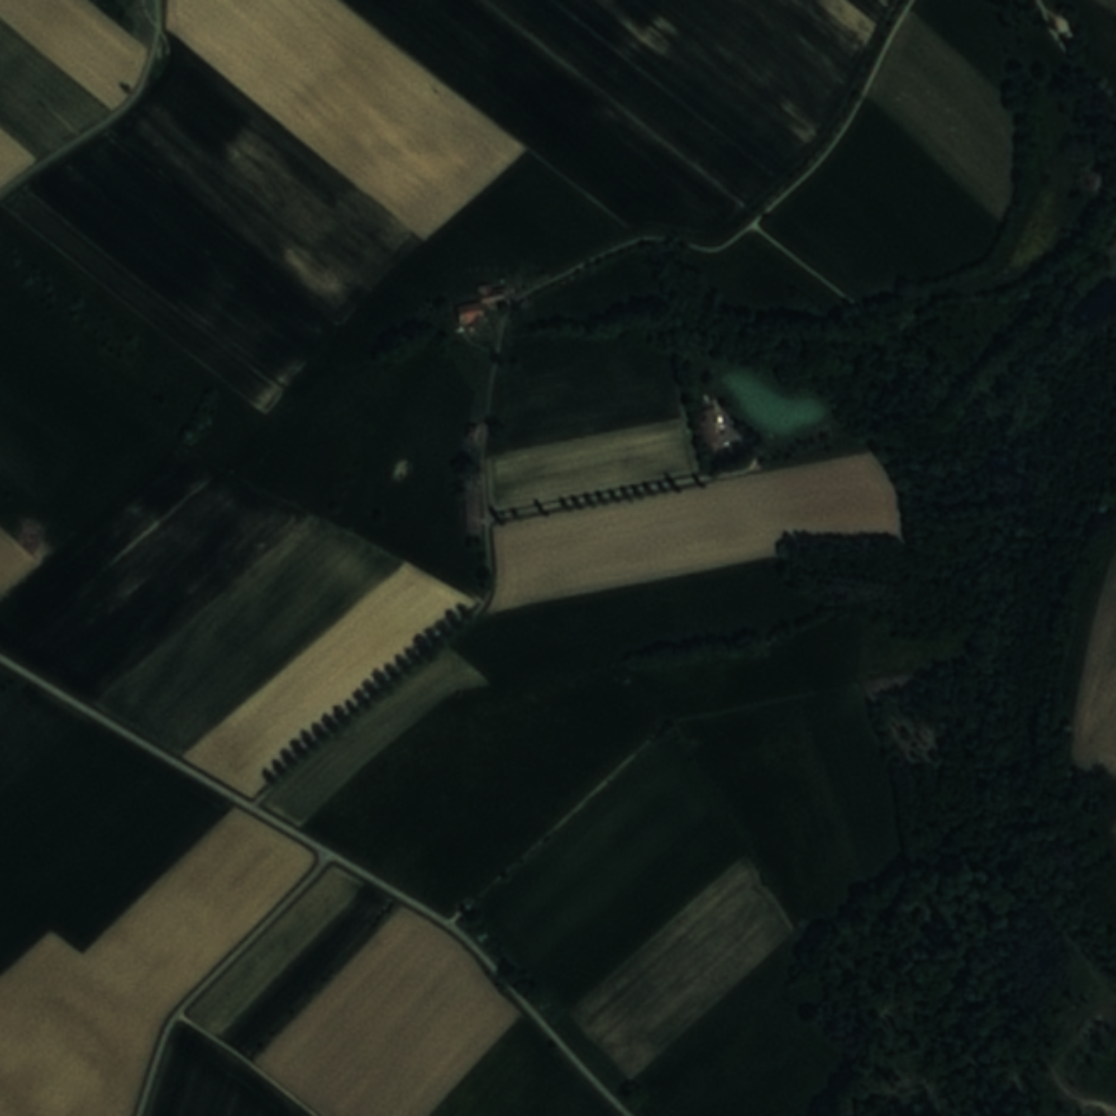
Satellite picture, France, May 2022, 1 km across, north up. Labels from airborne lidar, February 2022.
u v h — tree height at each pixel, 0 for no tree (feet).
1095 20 0
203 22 0
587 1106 0
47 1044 0
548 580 0
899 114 0
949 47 0
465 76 0
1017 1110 103
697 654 46
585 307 0
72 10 0
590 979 0
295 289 0
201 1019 0
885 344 80
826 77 0
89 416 0
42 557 0
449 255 0
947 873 126
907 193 0
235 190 0
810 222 0
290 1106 0
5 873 0
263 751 0
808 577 62
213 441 0
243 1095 0
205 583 0
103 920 0
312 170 0
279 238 0
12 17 0
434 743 0
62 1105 0
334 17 0
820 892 0
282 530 0
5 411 0
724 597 0
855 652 0
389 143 0
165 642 0
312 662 0
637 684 0
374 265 0
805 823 0
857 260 0
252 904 0
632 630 0
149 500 0
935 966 125
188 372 0
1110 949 73
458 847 0
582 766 0
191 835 0
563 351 0
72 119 0
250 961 0
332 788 0
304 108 0
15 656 0
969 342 0
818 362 92
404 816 0
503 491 0
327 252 0
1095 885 0
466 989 0
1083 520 37
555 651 0
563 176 0
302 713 0
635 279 0
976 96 0
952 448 50
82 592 0
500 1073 0
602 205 0
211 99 0
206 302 0
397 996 0
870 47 0
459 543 0
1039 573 39
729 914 0
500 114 0
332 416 0
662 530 0
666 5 0
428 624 0
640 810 0
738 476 0
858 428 54
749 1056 0
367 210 0
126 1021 0
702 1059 0
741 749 0
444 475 0
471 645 0
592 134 0
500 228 0
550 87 0
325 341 0
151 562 0
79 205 0
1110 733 0
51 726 0
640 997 0
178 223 0
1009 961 93
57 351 0
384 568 0
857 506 0
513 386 0
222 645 0
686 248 25
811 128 0
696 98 0
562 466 0
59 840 0
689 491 0
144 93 0
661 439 0
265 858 0
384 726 0
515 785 0
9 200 0
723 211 0
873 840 0
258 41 0
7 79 0
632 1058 0
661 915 0
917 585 58
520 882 0
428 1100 0
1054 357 90
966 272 30
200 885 0
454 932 0
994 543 74
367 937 0
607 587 0
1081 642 0
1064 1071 0
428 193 0
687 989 0
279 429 0
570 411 0
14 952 0
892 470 40
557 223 0
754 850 0
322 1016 0
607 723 0
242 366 0
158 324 0
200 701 0
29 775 0
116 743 0
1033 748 61
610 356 0
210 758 0
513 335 0
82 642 0
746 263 0
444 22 0
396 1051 0
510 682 0
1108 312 106
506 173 0
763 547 0
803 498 0
